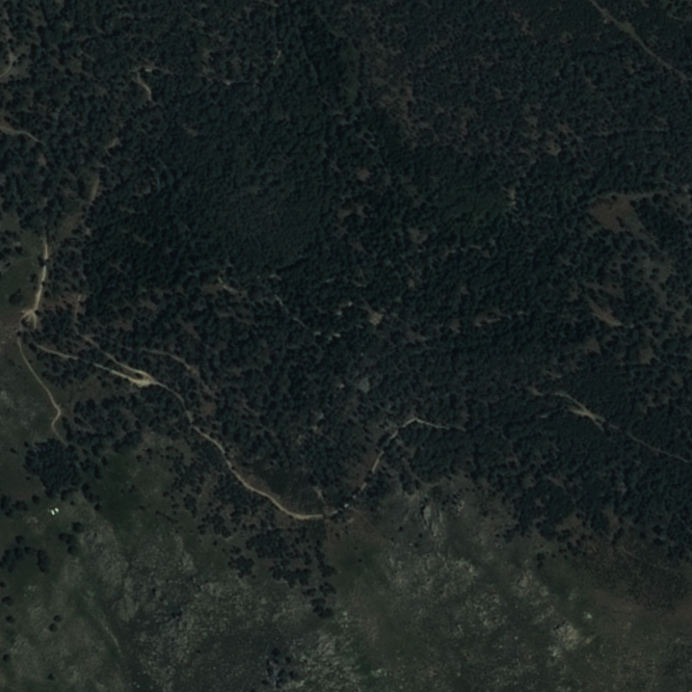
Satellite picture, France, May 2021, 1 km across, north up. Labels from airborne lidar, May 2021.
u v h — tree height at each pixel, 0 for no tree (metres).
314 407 27
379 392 19
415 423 7
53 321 16
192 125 27
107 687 0
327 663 0
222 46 27
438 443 19
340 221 31
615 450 21
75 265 21
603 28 12
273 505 10
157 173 36
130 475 0
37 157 26
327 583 8
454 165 19
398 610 0
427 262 25
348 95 26
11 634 0
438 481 14
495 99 17
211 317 27
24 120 17
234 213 23
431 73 15
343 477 28
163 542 0
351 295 16
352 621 0
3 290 0
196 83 29
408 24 17
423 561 0
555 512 15
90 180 11
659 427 22
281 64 30
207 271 24
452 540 0
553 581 0
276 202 18
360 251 23
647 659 0
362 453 21
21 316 0
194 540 0
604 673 0
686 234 28
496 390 31
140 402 28
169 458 11
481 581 0
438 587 0
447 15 17
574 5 12
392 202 16
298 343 33
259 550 9
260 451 30
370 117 22
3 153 34
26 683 0
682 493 24
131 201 17
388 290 17
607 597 0
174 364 21
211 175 28
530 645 0
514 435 27
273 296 31
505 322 18
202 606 0
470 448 28
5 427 0
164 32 6
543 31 11
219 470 11
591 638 0
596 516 14
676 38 9
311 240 25
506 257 12
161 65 21
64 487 15
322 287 14
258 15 23
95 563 0
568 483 12
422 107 18
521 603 0
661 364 20
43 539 0
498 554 0
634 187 24
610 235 29
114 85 27
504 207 21
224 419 27
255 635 0
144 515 0
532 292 29
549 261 20
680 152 27
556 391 14
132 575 0
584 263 23
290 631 0
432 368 29
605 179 26
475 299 26
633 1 9
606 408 18
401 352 23
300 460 26
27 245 0
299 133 18
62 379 13
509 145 23
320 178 28
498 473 26
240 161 29
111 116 34
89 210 20
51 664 0
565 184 22
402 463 18
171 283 11
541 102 15
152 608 0
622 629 0
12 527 0
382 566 0
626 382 16
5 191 24
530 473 13
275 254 25
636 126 27
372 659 0
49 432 0
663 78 30
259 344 27
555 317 22
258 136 25
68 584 0
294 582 11
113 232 33
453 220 21
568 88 27
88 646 0
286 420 27
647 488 26
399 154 17
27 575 0
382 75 9
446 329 14
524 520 13
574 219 29
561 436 19
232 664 0
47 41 28
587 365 19
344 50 33
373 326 25
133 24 28
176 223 33
